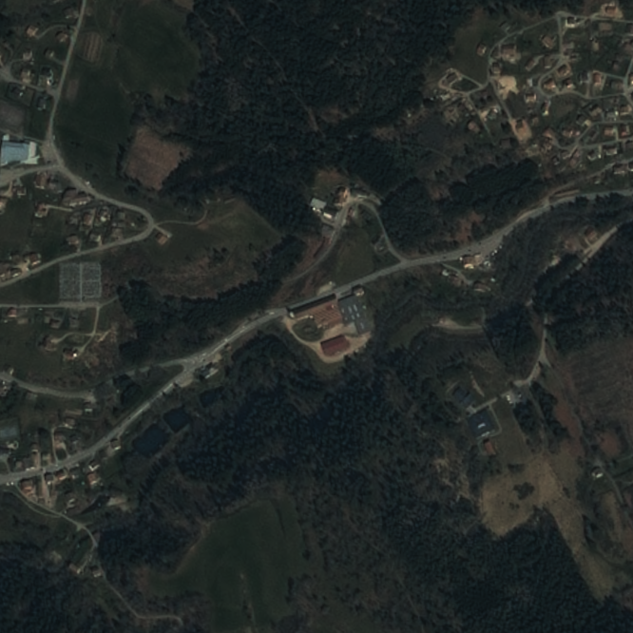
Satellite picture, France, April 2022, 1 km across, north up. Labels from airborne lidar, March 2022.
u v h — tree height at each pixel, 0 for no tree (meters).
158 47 0
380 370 28
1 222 0
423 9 34
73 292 0
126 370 19
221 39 13
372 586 0
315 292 0
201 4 9
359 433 28
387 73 28
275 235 0
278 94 24
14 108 0
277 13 22
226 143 11
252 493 22
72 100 0
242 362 30
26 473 0
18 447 0
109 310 0
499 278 9
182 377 0
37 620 22
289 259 31
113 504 0
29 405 0
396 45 24
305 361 10
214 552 0
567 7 6
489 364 0
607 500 0
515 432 0
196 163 14
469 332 0
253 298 33
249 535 0
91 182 0
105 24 0
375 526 17
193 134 11
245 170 11
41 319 8
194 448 22
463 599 16
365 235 0
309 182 25
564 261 0
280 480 19
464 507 15
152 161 0
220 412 23
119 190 0
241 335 0
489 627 24
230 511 25
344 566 18
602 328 18
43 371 0
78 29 0
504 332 29
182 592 0
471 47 0
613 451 0
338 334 0
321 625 0
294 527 0
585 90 0
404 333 0
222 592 0
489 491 0
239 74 12
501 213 25
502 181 21
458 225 19
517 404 0
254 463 32
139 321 24
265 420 21
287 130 25
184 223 0
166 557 30
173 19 0
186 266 0
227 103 25
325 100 23
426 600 15
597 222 12
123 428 0
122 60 0
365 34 21
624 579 0
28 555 28
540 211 0
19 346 0
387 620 11
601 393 0
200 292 0
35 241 0
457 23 34
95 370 9
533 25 0
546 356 0
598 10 0
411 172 19
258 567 0
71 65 0
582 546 0
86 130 0
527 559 21
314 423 31
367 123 11
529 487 0
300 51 21
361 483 26
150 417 14
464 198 18
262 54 15
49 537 19
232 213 0
